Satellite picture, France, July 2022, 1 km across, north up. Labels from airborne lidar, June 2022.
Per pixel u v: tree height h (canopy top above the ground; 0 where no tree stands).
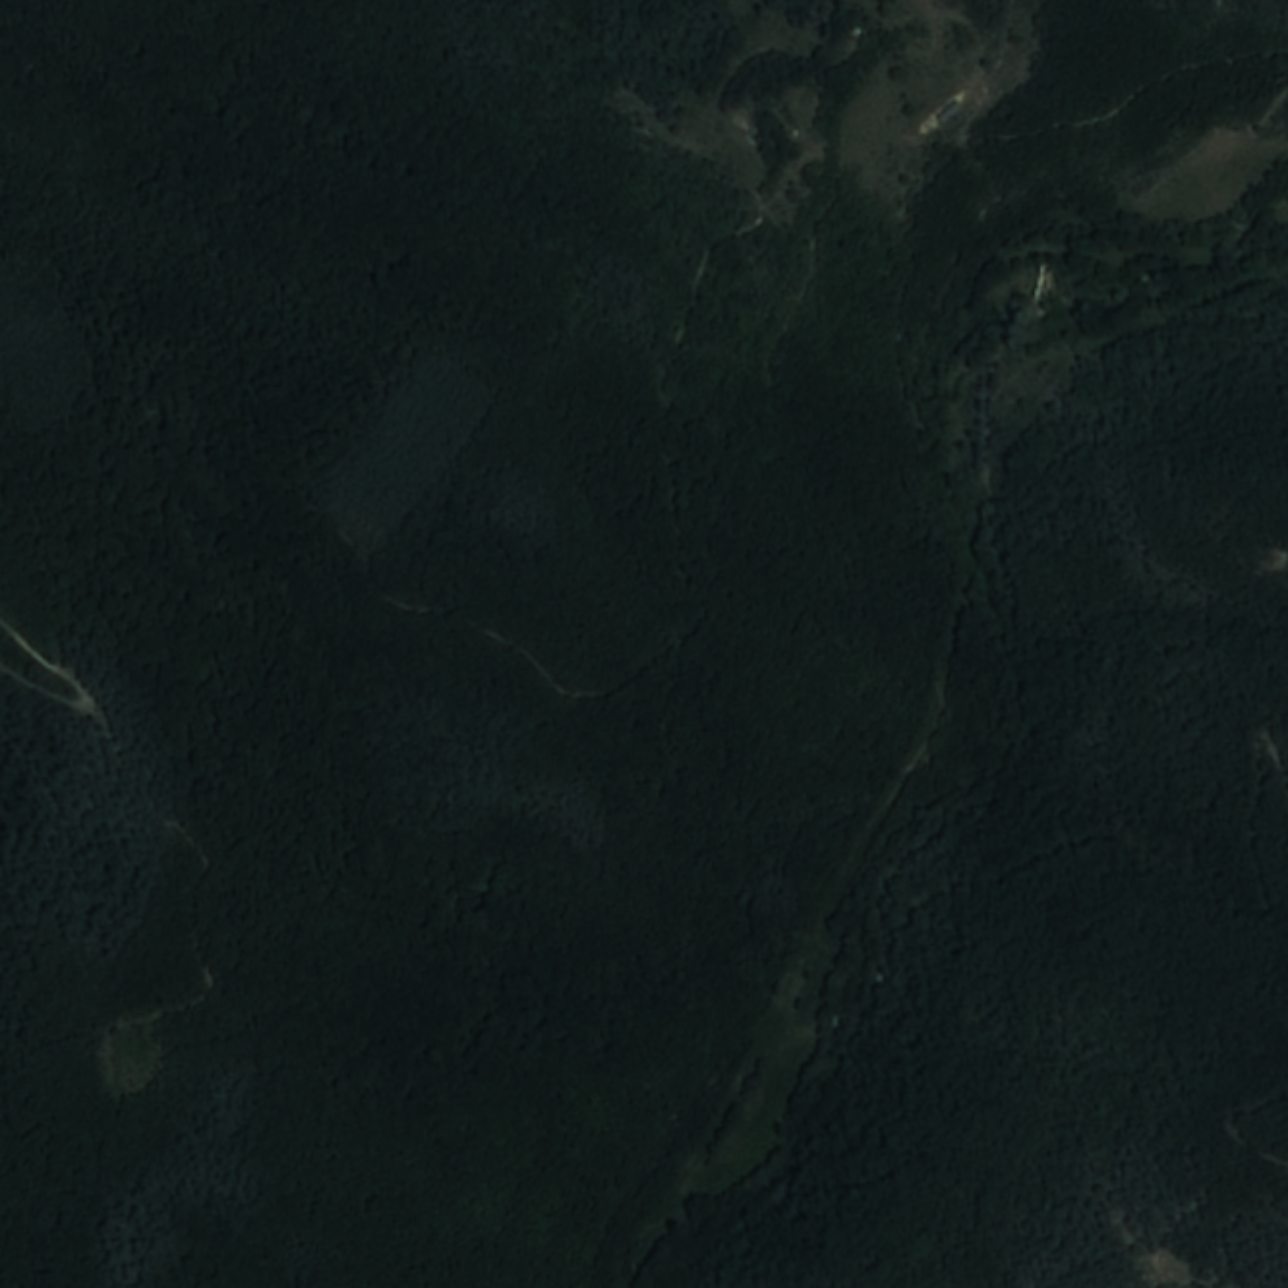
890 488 16
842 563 15
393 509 9
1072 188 12
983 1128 14
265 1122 16
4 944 16
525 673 19
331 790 22
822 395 18
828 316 12
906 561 21
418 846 19
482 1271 17
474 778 12
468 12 11
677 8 8
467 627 15
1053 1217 11
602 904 17
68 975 8
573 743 17
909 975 13
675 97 12
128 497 22
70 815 19
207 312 17
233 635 17
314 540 18
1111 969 12
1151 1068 12
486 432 14
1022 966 13
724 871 16
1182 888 15
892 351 8
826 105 11
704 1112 17
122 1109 14
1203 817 14
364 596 13
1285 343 11
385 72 19
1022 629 16
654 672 21
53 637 12
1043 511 6
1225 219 9
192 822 16
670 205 9
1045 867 10
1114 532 9
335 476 8
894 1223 15
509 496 17
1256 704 11
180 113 23
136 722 19
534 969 26
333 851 17
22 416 9
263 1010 16
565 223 17
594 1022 26
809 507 16
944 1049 13
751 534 19
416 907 27
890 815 9
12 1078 16
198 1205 17
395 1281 20
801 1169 14
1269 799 14
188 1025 5
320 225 21
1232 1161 6
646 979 23
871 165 0
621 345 12
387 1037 26
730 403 18
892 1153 16
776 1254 16
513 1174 19
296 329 14
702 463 14
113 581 21
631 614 15
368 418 9
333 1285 18
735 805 12
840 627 20
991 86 0
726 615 16
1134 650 11
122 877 20
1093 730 13
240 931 24
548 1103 20
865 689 12
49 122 14
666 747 18
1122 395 9
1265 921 16
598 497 20
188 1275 16
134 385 19
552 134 15
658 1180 16
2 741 23
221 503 27
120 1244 13
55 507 16
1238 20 7
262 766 19
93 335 23
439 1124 19
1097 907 9
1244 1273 10
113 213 11
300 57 22
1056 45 13
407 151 24
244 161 17
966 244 12
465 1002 28
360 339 18
